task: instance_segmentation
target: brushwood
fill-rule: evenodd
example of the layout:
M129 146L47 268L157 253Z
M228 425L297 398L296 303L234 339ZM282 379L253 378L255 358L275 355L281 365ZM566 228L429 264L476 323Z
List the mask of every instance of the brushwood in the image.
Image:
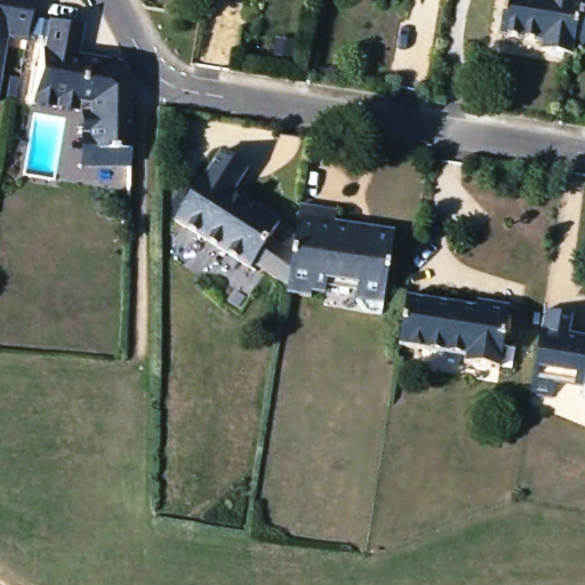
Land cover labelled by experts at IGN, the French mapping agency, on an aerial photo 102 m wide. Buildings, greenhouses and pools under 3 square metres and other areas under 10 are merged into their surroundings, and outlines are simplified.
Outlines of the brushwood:
M414 165L414 169L425 178L423 201L434 201L439 190L439 176L430 169L432 155L427 149L416 149L407 162Z
M267 498L263 496L270 462L272 425L281 386L281 368L286 356L283 340L279 343L274 361L258 475L245 475L235 480L229 491L219 496L219 503L203 514L171 512L169 505L165 505L158 510L158 516L233 530L242 530L249 523L254 526L251 539L261 544L318 548L334 553L359 553L359 546L352 542L331 542L293 535L288 528L272 521Z
M398 354L402 345L398 343L402 318L407 313L407 299L404 290L400 290L395 290L393 299L384 297L384 302L382 315L375 315L379 320L379 343L384 347L384 356L388 366L395 368L395 384L391 398L400 400L402 393L420 393L432 388L420 370L409 366Z
M466 62L459 62L459 57L452 53L452 25L457 18L459 0L441 0L436 32L432 39L430 71L425 80L414 78L414 91L423 101L441 105L441 110L446 110L452 101L464 101L471 114L510 114L512 110L507 98L512 96L512 73L500 62L500 55L494 50L494 46L489 46L489 39L464 41Z
M574 101L560 103L560 87L567 87L569 73L576 73L580 69L580 57L562 57L560 62L548 62L539 87L539 96L519 114L542 119L548 123L564 121L585 126L585 112L578 110Z
M462 219L448 219L443 235L450 242L450 251L455 251L455 256L462 261L468 251L475 249L468 242L471 238L466 235L466 215Z
M7 98L0 101L0 176L14 121L14 101Z
M270 313L281 315L288 313L290 293L283 281L272 279L267 274L258 281L258 286L251 293L263 302L263 306Z
M537 217L535 206L546 206L551 199L562 197L569 194L564 185L571 171L569 165L523 165L521 158L512 160L510 155L487 151L466 155L466 162L462 165L462 183L466 187L473 181L478 183L478 192L494 190L496 197L521 197L530 206L521 215L526 224Z
M256 322L251 322L242 327L240 347L267 347L265 336L256 329Z
M414 219L409 222L414 238L420 242L427 240L430 224L430 208L423 206L418 215L414 215Z
M201 288L215 290L219 297L229 295L226 277L201 274Z
M146 496L155 498L160 414L153 407L146 414L146 452L142 455L142 459L149 459L149 464L139 471L139 478L146 484Z
M59 354L59 350L0 345L0 352L55 356Z
M245 53L245 48L240 48L238 43L233 46L229 59L233 71L270 75L281 80L329 82L338 87L366 89L368 94L382 94L395 91L400 87L402 71L391 69L384 78L366 75L366 55L359 48L354 48L352 43L331 43L329 66L322 69L322 73L311 73L306 62L313 43L320 0L240 0L238 5L242 7L242 23L249 21L258 25L261 21L270 21L265 43L274 43L281 37L293 37L293 57L256 57Z
M151 372L160 372L162 261L149 267L149 343L144 356L146 363L151 363Z
M146 5L162 5L165 9L171 11L176 30L190 32L192 27L201 27L203 43L208 46L213 39L215 21L219 16L213 9L210 0L144 0Z
M471 411L471 434L482 446L510 443L507 436L521 423L516 404L494 388L496 382L491 382L478 395L478 402Z
M551 226L546 231L546 254L553 263L558 261L560 245L569 231L569 222L560 222L558 226Z
M277 117L233 114L226 110L192 103L167 103L167 107L158 110L155 142L151 158L144 162L144 176L142 213L149 215L149 231L160 235L162 192L174 192L187 190L187 181L192 176L203 176L208 171L208 160L203 151L206 128L213 121L265 128L286 135Z
M128 356L126 350L130 224L126 224L114 229L114 238L121 238L114 352L75 352L73 356L103 361L126 361Z

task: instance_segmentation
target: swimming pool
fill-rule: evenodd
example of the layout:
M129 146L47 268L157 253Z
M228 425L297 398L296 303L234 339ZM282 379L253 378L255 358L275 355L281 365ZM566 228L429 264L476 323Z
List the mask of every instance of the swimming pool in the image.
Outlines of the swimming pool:
M30 117L25 146L30 149L30 169L37 174L48 174L57 171L64 139L64 117Z

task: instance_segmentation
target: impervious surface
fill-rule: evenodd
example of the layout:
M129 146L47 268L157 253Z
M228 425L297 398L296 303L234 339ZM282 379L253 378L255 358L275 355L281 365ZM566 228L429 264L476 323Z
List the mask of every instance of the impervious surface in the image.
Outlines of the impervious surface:
M439 176L439 190L434 201L423 201L423 206L430 208L430 224L427 240L420 242L425 249L418 263L423 277L407 279L400 286L400 290L404 290L407 299L430 286L523 295L521 283L471 270L462 261L455 256L455 251L450 251L450 242L443 235L448 219L462 219L466 215L478 215L482 208L468 194L466 187L462 183L462 165L466 162L466 155L487 151L510 155L512 160L521 158L523 165L569 165L571 171L564 185L569 194L562 197L560 222L569 222L569 231L560 245L558 261L553 263L548 272L544 304L555 306L564 302L585 302L585 288L580 288L574 281L574 251L578 240L585 240L585 126L564 121L548 123L542 119L519 114L510 114L471 114L464 101L452 101L446 110L441 110L441 105L423 101L414 91L414 78L425 80L430 71L432 39L436 32L441 0L425 0L418 7L414 5L411 16L402 18L402 23L398 25L398 50L393 55L391 69L402 71L400 87L395 91L382 94L368 94L366 89L338 87L329 82L281 80L270 75L233 71L229 59L233 46L238 43L242 23L242 7L238 5L240 0L210 0L213 9L219 16L215 21L213 39L208 46L201 62L194 64L183 62L174 50L169 50L162 37L155 32L153 21L149 18L151 14L162 14L165 9L162 5L146 5L144 0L57 0L48 7L48 11L73 23L75 27L82 27L82 37L98 39L98 43L103 46L128 46L149 50L158 57L158 110L167 107L167 103L192 103L226 110L233 114L277 117L286 135L265 128L213 121L206 128L203 151L210 153L219 146L233 149L231 162L222 171L217 185L210 185L208 171L203 176L192 176L187 181L187 190L199 192L201 197L206 197L208 201L213 201L215 206L231 213L233 217L238 217L256 231L267 231L274 222L279 222L283 229L295 233L295 203L277 192L277 181L272 176L295 158L299 144L304 146L308 139L315 137L313 121L320 112L334 105L345 105L363 98L363 119L375 130L375 144L370 146L368 155L375 160L379 169L407 162L416 149L427 149L432 155L430 169Z
M500 370L512 368L514 363L507 359L491 361L484 356L471 356L466 350L455 345L425 345L416 340L398 343L402 345L398 354L409 366L420 370L432 388L452 384L459 372L475 375L482 382L491 382L496 382Z
M249 267L242 267L240 263L229 261L226 256L219 256L203 240L190 238L183 229L174 224L171 258L185 258L185 265L192 272L201 274L226 277L229 295L229 302L233 306L242 306L242 302L251 293L258 286L258 281L267 274L261 267L261 263L251 261Z
M542 400L558 416L585 425L585 384L564 386L558 395Z
M471 0L459 0L457 18L452 25L452 53L459 57L459 62L466 62L464 41Z
M73 149L71 144L73 139L82 137L82 112L78 107L71 107L73 94L62 94L55 105L50 105L50 91L41 87L41 78L46 71L43 37L18 41L18 73L9 78L7 98L14 101L25 98L30 117L64 117L64 139L57 171L48 174L37 174L30 169L30 149L25 146L21 167L25 178L39 183L85 183L114 190L130 190L133 176L130 165L82 165L82 151Z
M313 199L354 203L363 215L368 215L368 174L345 174L340 167L334 165L308 162L308 187Z
M356 293L356 279L350 277L338 277L327 297L324 306L375 315L382 315L384 302L361 299Z
M585 53L585 46L546 46L535 34L503 30L500 23L507 0L496 0L489 39L489 46L494 46L494 50L500 55L510 59L512 53L526 46L530 50L542 53L548 62L560 62L562 57L580 57Z

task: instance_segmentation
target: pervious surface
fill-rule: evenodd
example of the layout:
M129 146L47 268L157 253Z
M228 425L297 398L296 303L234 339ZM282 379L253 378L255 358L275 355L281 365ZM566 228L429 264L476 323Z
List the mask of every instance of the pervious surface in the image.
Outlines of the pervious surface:
M130 190L114 190L110 199L119 201L119 213L126 219L126 224L130 224L126 350L128 356L144 356L149 343L149 267L162 261L160 235L149 231L149 215L142 213L144 176L133 176Z

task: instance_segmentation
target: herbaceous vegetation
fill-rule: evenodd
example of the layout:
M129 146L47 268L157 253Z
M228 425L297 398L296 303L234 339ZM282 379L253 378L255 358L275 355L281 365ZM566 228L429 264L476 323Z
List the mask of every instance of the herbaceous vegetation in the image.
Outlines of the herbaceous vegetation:
M331 43L352 43L354 48L359 48L366 55L366 75L384 78L391 69L393 55L398 50L398 25L402 23L402 18L411 16L414 5L418 7L425 0L320 0L313 43L306 62L311 73L322 73L322 69L329 66Z
M375 315L324 306L327 297L322 293L299 297L290 293L288 313L281 315L270 313L263 306L263 302L251 293L242 302L242 306L233 306L229 302L229 295L219 297L215 290L201 288L201 274L192 272L185 265L185 258L171 258L174 224L174 192L162 192L160 235L162 261L160 372L151 372L151 363L146 363L144 356L128 356L126 361L103 361L73 356L75 352L114 352L121 238L114 238L114 229L126 224L126 219L119 213L119 201L110 199L114 190L85 183L39 183L25 178L21 167L25 146L30 117L25 98L14 101L14 121L0 176L0 345L59 350L59 354L55 356L0 352L0 585L585 585L585 425L558 416L542 400L528 386L535 370L537 345L530 343L523 354L523 363L514 359L514 363L512 368L500 370L496 382L494 388L516 404L521 423L507 436L510 443L482 446L471 434L471 411L478 402L478 395L491 382L482 382L475 375L459 372L452 384L432 388L420 393L402 393L400 400L391 398L395 384L395 368L388 366L384 356L384 347L379 343L379 320ZM267 347L240 347L242 327L251 322L256 322L256 329L265 336ZM169 505L171 512L203 514L219 503L219 496L229 491L235 480L245 475L258 475L274 361L279 343L283 340L286 356L281 368L281 386L272 425L270 462L263 496L267 498L272 521L288 528L293 535L331 542L352 542L359 546L359 553L334 553L318 548L261 544L251 539L254 526L249 523L242 530L233 530L158 516L158 510L165 505ZM155 498L146 496L146 484L139 478L139 471L149 464L149 459L142 459L142 455L146 452L146 414L153 407L160 414Z
M512 110L510 114L519 114L539 96L539 87L548 62L542 53L530 50L526 46L512 53L510 59L500 55L500 62L512 73L512 96L507 98Z
M308 187L308 162L304 146L299 144L295 158L272 176L277 181L277 192L295 203L302 201L304 187Z
M489 39L496 0L471 0L464 41Z
M393 249L388 254L391 267L384 297L393 299L395 290L400 290L400 286L407 279L423 277L418 263L425 249L420 242L414 238L409 222L414 219L414 215L418 215L423 206L423 201L425 178L414 169L414 165L407 162L379 169L368 174L368 215L400 219L395 224Z
M468 194L482 208L478 215L466 215L466 235L471 238L468 242L475 249L468 251L462 261L471 270L521 283L523 295L528 299L544 304L548 272L553 263L546 254L546 231L551 226L558 226L560 222L562 197L551 199L546 206L535 206L537 217L526 224L521 215L530 206L521 197L496 197L494 190L478 192L478 183L473 181L466 187Z
M151 14L149 18L153 21L155 32L162 37L169 50L174 50L183 62L194 64L201 62L208 46L203 43L201 27L192 27L190 32L176 30L171 11L165 9L162 14Z
M261 21L258 25L249 21L242 23L238 43L240 48L245 48L245 53L256 57L293 57L293 37L281 37L274 43L265 43L270 21Z
M578 110L585 112L585 53L580 57L580 69L576 73L569 73L567 87L560 87L560 103L574 101Z

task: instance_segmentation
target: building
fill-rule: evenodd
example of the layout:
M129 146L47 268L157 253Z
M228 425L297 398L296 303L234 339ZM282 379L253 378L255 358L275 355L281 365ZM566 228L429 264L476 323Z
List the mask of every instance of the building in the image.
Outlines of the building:
M535 34L546 46L585 46L585 0L507 0L500 23L503 30Z
M368 215L363 215L354 203L313 199L308 187L304 187L302 201L295 203L295 233L283 229L279 222L274 222L267 231L256 231L238 217L233 217L231 213L215 206L213 201L208 201L206 197L201 197L199 192L187 190L174 192L174 224L183 229L190 238L203 240L219 256L226 256L229 261L240 263L242 267L249 267L251 261L261 263L261 267L267 274L272 279L283 281L290 293L299 297L322 293L327 297L338 277L350 277L356 279L356 293L361 299L384 302L384 297L391 267L388 254L393 249L395 224L400 219Z
M210 185L217 185L222 171L231 162L233 149L219 146L210 153L203 151L208 160L208 171Z
M128 46L103 46L98 43L98 39L82 37L82 27L75 27L73 23L48 11L48 7L57 0L0 0L0 101L7 98L9 78L18 73L18 41L43 37L46 71L41 78L41 87L50 91L50 105L55 105L62 94L73 94L71 107L78 107L82 112L82 137L73 139L71 144L73 149L82 151L82 165L130 165L133 176L144 176L144 162L151 158L155 142L158 110L158 57L149 50Z
M544 304L528 299L523 295L430 286L407 299L407 313L402 318L398 343L416 340L425 345L455 345L466 350L471 356L484 356L491 361L507 359L514 363L514 359L523 363L523 354L530 343L537 345L535 370L528 386L542 400L558 395L564 386L585 384L585 302L564 302L555 306Z

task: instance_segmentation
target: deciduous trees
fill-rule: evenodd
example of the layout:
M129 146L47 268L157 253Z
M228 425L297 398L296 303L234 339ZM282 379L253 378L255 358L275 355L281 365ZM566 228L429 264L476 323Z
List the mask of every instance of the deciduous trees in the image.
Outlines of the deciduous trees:
M363 98L345 105L334 105L320 112L313 121L315 137L308 139L304 146L308 162L334 165L340 167L345 174L368 174L379 169L375 160L368 155L370 146L375 144L375 130L363 119Z
M574 251L574 281L580 288L585 288L585 240L578 240Z

